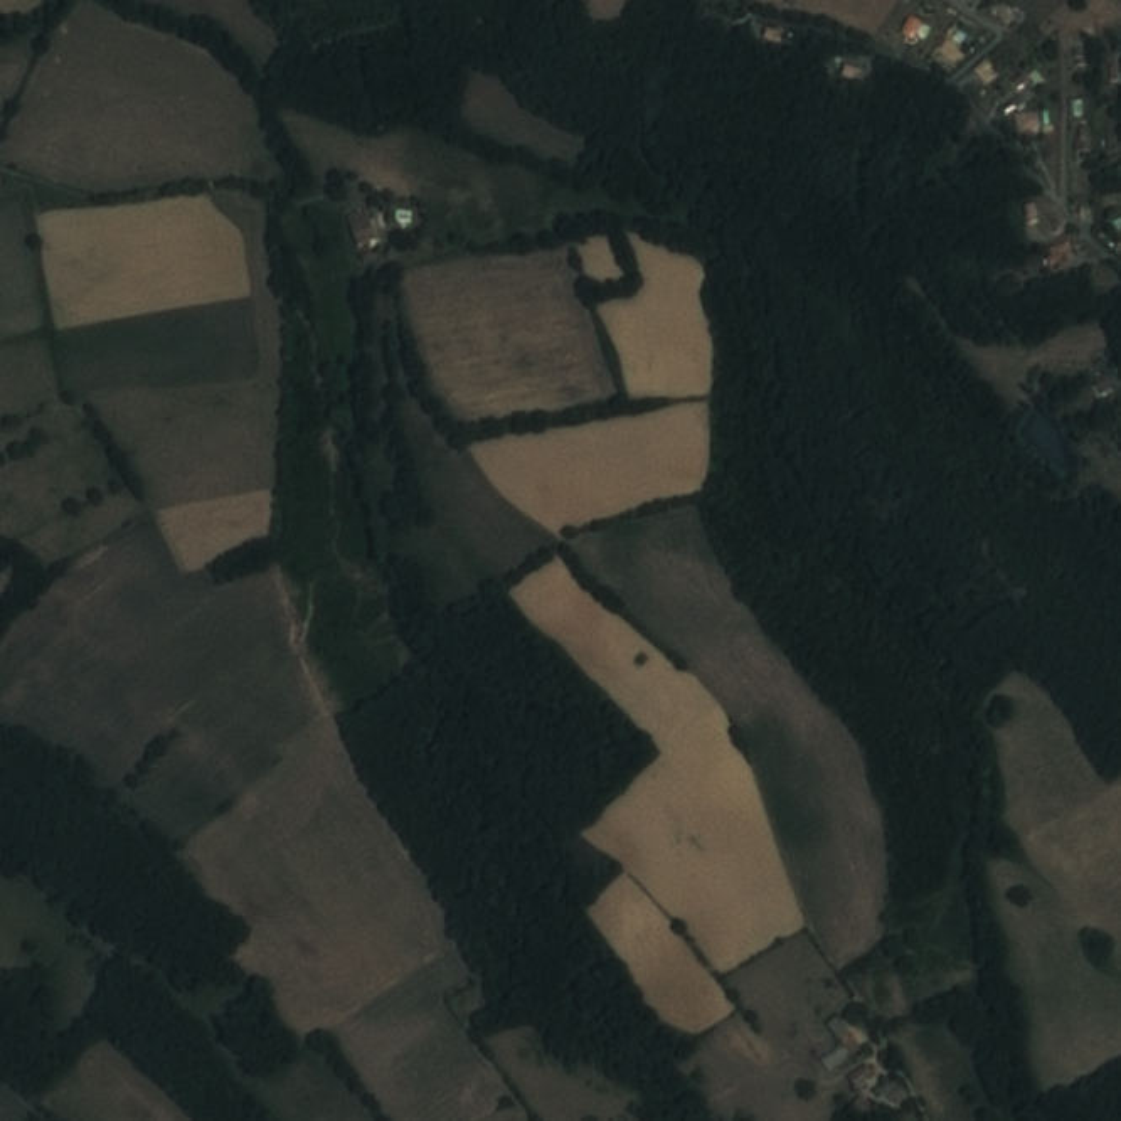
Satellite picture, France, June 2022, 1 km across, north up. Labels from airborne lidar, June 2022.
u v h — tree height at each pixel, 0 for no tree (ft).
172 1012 86
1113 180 41
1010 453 35
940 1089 0
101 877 65
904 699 39
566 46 65
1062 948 0
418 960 0
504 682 67
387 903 0
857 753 0
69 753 55
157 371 0
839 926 0
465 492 0
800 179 77
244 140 0
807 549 40
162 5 28
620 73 62
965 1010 67
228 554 35
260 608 0
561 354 0
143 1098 0
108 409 0
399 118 55
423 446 0
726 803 0
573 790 71
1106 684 46
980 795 45
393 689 78
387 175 0
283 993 0
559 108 54
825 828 0
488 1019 50
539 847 62
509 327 0
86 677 0
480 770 90
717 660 0
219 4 0
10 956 0
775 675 0
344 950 0
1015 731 0
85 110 0
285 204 59
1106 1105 50
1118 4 0
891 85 56
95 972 21
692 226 37
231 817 0
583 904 29
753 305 34
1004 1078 65
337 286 0
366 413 44
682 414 0
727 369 41
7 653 0
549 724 46
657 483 0
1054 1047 0
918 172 55
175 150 0
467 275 0
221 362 0
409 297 0
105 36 0
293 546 0
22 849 78
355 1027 0
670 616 0
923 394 28
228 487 0
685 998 0
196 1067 64
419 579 64
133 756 0
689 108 66
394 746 58
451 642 74
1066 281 52
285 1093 0
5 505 0
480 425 31
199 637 0
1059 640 43
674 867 0
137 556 0
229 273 0
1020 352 0
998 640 61
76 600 0
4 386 0
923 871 46
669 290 0
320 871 0
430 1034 0
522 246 56
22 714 0
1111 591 55
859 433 61
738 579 35
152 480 0
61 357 0
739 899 0
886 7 0
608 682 0
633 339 0
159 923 72
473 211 0
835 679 41
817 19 36
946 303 50
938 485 43
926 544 47
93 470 0
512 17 51
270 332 0
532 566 44
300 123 0
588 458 0
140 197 38
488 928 85
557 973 85
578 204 0
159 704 0
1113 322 80
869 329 55
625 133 72
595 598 30
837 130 50
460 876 77
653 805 0
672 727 0
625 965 30
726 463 30
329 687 0
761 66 71
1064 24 0
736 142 70
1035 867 0
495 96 0
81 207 0
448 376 0
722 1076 0
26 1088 57
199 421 0
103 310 0
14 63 0
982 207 70
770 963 0
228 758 0
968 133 0
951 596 42
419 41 57
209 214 0
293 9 51
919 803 52
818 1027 0
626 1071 60
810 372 46
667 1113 45
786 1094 0
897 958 42
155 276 0
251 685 0
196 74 0
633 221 26
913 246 58
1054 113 0
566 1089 0
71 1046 77
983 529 34
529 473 0
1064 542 53
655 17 65
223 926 56
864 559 97
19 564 52
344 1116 0
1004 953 58
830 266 30
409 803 60
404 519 61
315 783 0
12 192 0
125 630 0
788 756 0
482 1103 0
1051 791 0
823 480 75
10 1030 61
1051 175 0
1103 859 0
